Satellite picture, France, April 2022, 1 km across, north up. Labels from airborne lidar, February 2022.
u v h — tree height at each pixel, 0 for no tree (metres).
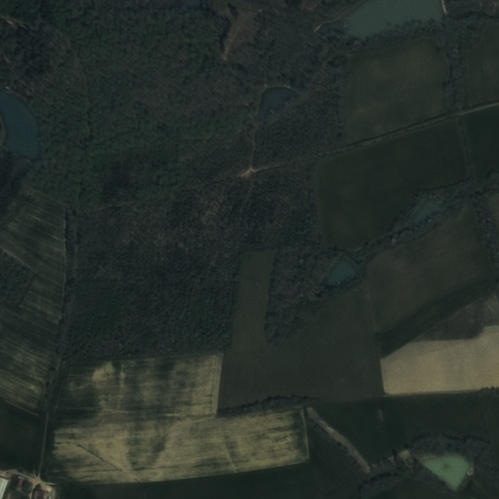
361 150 0
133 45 24
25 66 24
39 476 0
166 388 0
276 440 0
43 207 0
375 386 0
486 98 0
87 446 0
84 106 23
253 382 0
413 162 0
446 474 0
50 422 0
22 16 18
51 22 30
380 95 0
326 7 22
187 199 8
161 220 6
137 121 27
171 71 24
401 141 0
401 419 0
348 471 0
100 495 0
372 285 0
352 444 0
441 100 0
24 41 36
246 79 27
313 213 15
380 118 0
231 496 0
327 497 0
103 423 0
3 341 0
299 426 0
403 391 0
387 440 0
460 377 0
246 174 0
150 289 6
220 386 0
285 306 28
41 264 0
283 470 0
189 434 0
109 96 24
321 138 8
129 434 0
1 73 28
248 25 0
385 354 0
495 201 0
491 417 0
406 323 0
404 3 0
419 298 0
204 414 0
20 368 0
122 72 23
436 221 18
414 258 0
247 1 20
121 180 15
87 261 12
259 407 16
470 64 0
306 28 22
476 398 0
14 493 0
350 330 0
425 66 0
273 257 0
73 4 28
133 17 29
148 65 24
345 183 0
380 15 0
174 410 0
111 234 12
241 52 0
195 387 0
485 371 0
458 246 0
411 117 0
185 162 5
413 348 0
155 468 0
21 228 0
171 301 10
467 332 0
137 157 14
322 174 0
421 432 0
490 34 0
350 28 0
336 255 10
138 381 0
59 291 0
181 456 0
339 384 0
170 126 25
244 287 0
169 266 7
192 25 27
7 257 17
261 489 0
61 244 0
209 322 12
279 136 7
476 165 0
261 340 0
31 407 0
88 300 12
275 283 15
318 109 7
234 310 7
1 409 0
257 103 22
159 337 10
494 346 0
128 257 7
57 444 0
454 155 0
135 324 7
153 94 29
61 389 0
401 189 0
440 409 0
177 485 0
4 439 0
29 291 0
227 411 7
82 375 0
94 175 23
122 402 0
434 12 0
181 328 7
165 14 26
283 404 20
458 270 0
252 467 0
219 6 0
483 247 0
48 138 25
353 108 0
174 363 0
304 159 0
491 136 0
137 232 9
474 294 0
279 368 0
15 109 0
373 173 0
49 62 30
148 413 0
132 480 0
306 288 24
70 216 19
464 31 22
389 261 0
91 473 0
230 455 0
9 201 22
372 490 22
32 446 0
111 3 25
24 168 24
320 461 0
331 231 0
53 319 0
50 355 0
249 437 0
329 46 25
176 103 25
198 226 7
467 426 0
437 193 7
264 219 7
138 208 7
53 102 27
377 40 16
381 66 0
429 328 0
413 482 0
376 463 0
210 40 27
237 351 0
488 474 17
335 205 0
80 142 27
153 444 0
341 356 0
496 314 0
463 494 0
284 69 22
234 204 6
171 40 27
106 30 24
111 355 7
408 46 0
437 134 0
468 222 0
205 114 23
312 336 0
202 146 29
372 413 0
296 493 0
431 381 0
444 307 0
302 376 0
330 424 0
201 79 30
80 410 0
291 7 27
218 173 6
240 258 10
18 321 0
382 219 0
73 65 27
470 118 0
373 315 0
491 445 12
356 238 0
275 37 17
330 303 0
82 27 26
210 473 0
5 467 0
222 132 29
